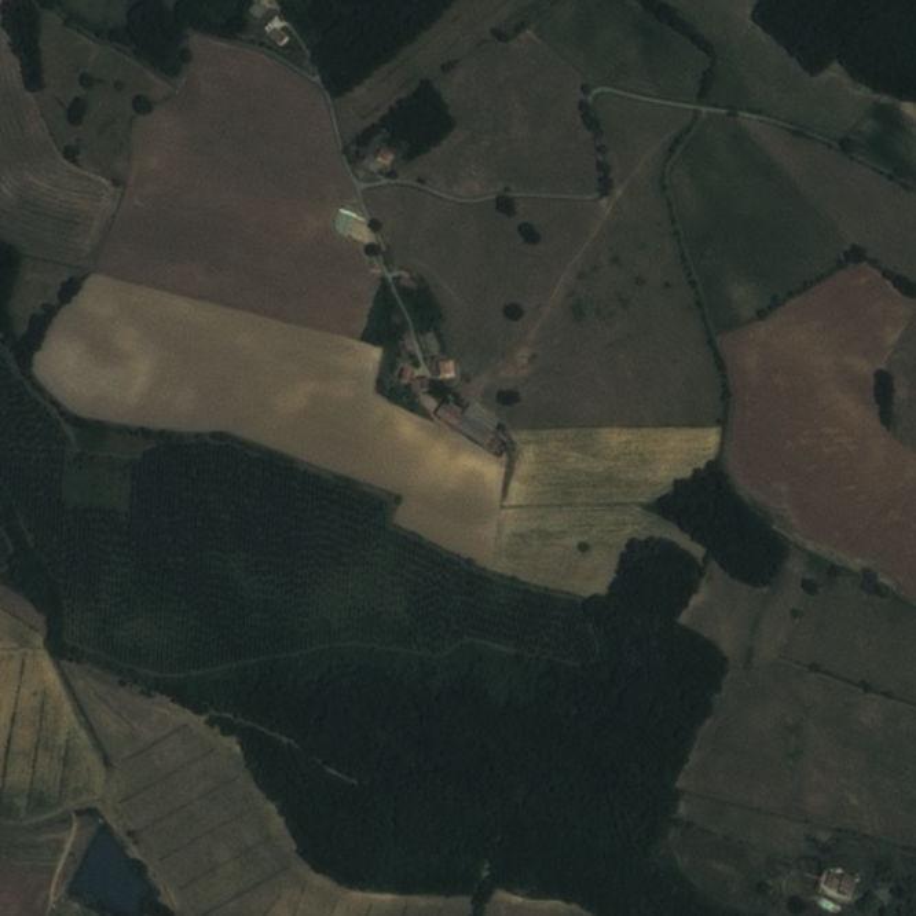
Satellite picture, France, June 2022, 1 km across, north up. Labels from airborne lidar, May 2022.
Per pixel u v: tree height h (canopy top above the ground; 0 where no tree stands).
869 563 0
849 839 0
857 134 0
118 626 7
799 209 0
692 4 0
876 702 0
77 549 6
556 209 0
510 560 0
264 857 0
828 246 0
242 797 0
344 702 18
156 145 0
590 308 0
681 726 19
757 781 0
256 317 0
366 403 0
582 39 0
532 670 7
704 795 0
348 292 0
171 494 9
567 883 12
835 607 0
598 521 0
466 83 0
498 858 11
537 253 0
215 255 0
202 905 0
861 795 0
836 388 0
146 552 7
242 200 0
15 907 0
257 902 0
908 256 0
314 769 12
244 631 7
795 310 0
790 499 0
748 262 0
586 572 0
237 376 0
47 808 0
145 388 0
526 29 8
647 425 0
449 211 0
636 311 0
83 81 13
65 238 0
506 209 14
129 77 0
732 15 0
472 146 0
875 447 0
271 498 7
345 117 0
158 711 0
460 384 0
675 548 21
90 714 0
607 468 0
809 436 0
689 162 0
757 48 0
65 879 0
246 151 0
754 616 0
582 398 0
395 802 11
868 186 0
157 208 0
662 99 0
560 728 17
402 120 19
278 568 6
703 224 0
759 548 23
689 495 18
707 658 19
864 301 0
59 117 0
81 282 7
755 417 0
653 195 0
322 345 0
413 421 0
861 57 13
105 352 0
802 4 15
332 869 8
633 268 0
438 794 7
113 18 0
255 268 0
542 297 0
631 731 18
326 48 12
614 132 0
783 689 0
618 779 18
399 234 0
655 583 17
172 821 0
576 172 0
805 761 0
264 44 7
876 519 0
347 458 0
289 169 0
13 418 8
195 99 0
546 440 0
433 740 15
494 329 0
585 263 0
